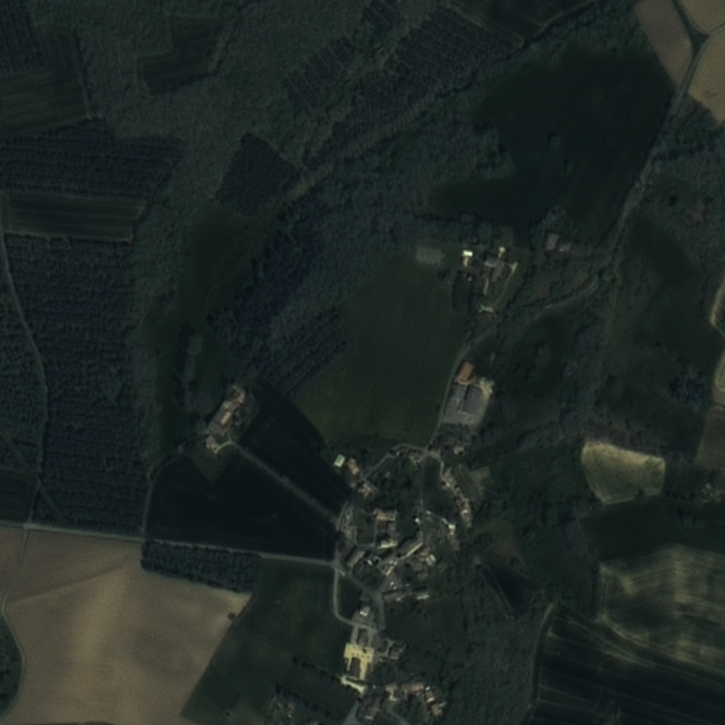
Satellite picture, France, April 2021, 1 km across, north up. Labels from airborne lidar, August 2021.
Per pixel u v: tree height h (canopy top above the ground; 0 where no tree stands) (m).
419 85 15
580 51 0
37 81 0
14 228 0
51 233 0
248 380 0
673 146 12
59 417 14
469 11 0
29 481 0
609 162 0
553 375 0
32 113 0
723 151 23
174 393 0
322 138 22
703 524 20
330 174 28
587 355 25
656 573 0
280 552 0
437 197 0
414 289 0
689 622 0
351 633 0
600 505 24
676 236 14
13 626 0
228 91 13
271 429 0
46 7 12
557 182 0
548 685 0
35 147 11
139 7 8
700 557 0
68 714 0
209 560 12
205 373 0
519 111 0
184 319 0
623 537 0
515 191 0
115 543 0
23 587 0
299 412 0
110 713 0
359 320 0
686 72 0
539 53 18
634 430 10
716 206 21
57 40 0
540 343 7
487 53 15
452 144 22
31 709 0
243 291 0
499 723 22
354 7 19
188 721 0
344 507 0
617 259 16
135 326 15
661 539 0
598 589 9
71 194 11
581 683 0
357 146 33
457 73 19
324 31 15
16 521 0
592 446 0
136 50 10
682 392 22
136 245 11
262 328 14
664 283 0
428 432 0
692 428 0
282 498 0
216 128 16
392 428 0
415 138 20
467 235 7
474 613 12
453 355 0
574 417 19
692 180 23
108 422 14
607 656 0
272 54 14
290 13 15
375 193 23
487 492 0
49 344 13
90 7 11
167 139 12
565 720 0
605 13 16
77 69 0
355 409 0
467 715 19
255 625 0
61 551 0
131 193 15
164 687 0
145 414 11
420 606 7
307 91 15
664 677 0
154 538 0
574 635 0
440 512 6
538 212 0
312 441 0
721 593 0
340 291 23
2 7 16
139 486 14
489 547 7
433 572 12
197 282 0
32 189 12
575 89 0
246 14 13
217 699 0
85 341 14
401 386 0
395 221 23
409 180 23
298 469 0
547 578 0
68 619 0
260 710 0
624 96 0
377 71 16
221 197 11
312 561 0
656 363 0
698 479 0
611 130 0
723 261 27
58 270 14
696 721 0
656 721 0
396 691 7
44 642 0
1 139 0
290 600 0
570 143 0
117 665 0
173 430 0
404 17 12
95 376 11
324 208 18
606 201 0
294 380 14
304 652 0
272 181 14
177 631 0
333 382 0
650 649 0
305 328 12
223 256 0
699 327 0
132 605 0
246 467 0
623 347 0
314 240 19
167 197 19
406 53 13
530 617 12
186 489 0
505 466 9
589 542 26
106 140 12
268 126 20
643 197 11
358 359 0
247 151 16
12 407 16
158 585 0
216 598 0
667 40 0
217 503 0
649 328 0
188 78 0
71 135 9
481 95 17
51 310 16
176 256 17
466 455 7
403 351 0
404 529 0
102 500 15
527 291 8
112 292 16
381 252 17
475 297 13
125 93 16
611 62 0
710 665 0
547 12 0
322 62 14
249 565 15
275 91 22
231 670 0
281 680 0
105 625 0
